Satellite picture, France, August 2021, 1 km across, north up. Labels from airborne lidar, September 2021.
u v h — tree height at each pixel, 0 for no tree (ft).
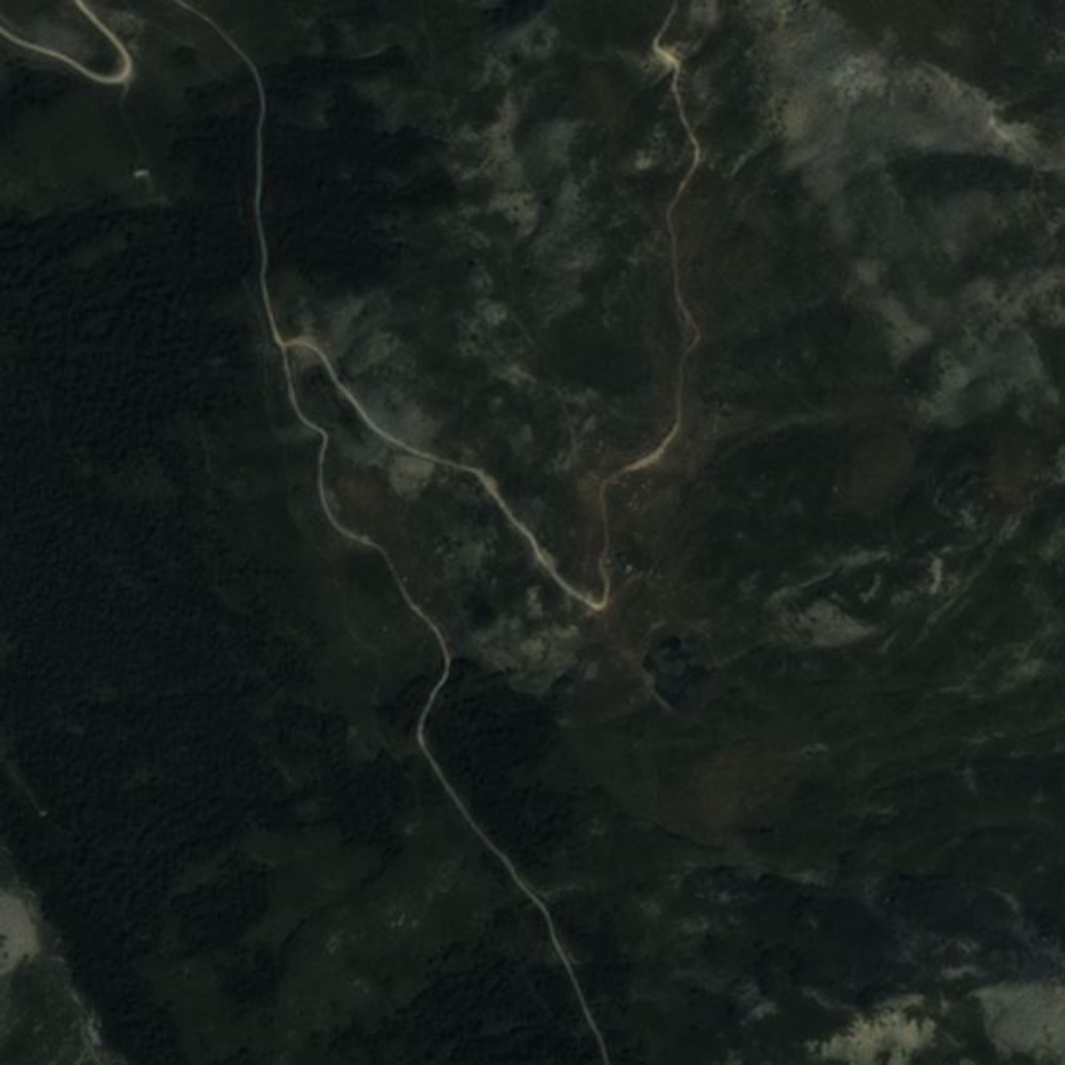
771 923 0
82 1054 0
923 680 0
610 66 0
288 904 0
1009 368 0
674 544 0
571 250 0
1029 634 0
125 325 30
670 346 0
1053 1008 0
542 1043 26
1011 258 0
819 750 0
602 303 0
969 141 0
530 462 0
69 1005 0
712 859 0
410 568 0
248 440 0
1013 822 0
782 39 0
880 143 0
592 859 0
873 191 0
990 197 0
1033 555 0
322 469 0
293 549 0
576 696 0
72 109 0
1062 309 0
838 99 0
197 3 0
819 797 0
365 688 0
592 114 0
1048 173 0
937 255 0
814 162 0
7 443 21
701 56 0
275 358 0
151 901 22
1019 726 0
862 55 0
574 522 0
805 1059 0
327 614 0
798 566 0
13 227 30
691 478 0
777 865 0
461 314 0
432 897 0
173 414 21
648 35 0
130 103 0
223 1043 0
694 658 0
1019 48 0
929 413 0
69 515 21
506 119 0
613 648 0
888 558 0
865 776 0
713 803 0
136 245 26
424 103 0
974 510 0
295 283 0
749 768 0
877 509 0
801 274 0
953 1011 0
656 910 0
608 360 0
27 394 19
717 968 0
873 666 0
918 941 0
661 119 0
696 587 0
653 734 0
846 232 0
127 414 23
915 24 0
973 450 0
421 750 0
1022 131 0
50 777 22
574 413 0
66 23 0
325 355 0
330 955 0
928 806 0
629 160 0
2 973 0
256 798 22
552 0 0
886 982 0
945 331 0
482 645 0
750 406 0
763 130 0
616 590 0
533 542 0
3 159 0
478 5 0
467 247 0
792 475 0
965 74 0
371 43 0
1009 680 0
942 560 0
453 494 0
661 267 0
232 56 0
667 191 0
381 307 0
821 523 0
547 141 0
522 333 0
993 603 0
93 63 0
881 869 0
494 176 0
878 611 0
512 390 0
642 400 0
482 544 0
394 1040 21
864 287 0
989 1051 0
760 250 0
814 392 0
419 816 0
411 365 0
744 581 0
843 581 0
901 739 0
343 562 0
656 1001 0
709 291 0
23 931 0
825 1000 0
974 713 0
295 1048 0
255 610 19
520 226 0
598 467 0
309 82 23
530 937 0
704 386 0
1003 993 0
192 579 19
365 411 0
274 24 0
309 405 0
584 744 0
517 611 0
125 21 0
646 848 0
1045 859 0
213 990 0
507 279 0
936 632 0
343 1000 0
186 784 25
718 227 0
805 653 0
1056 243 0
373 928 0
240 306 0
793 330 0
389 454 0
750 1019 0
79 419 26
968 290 0
